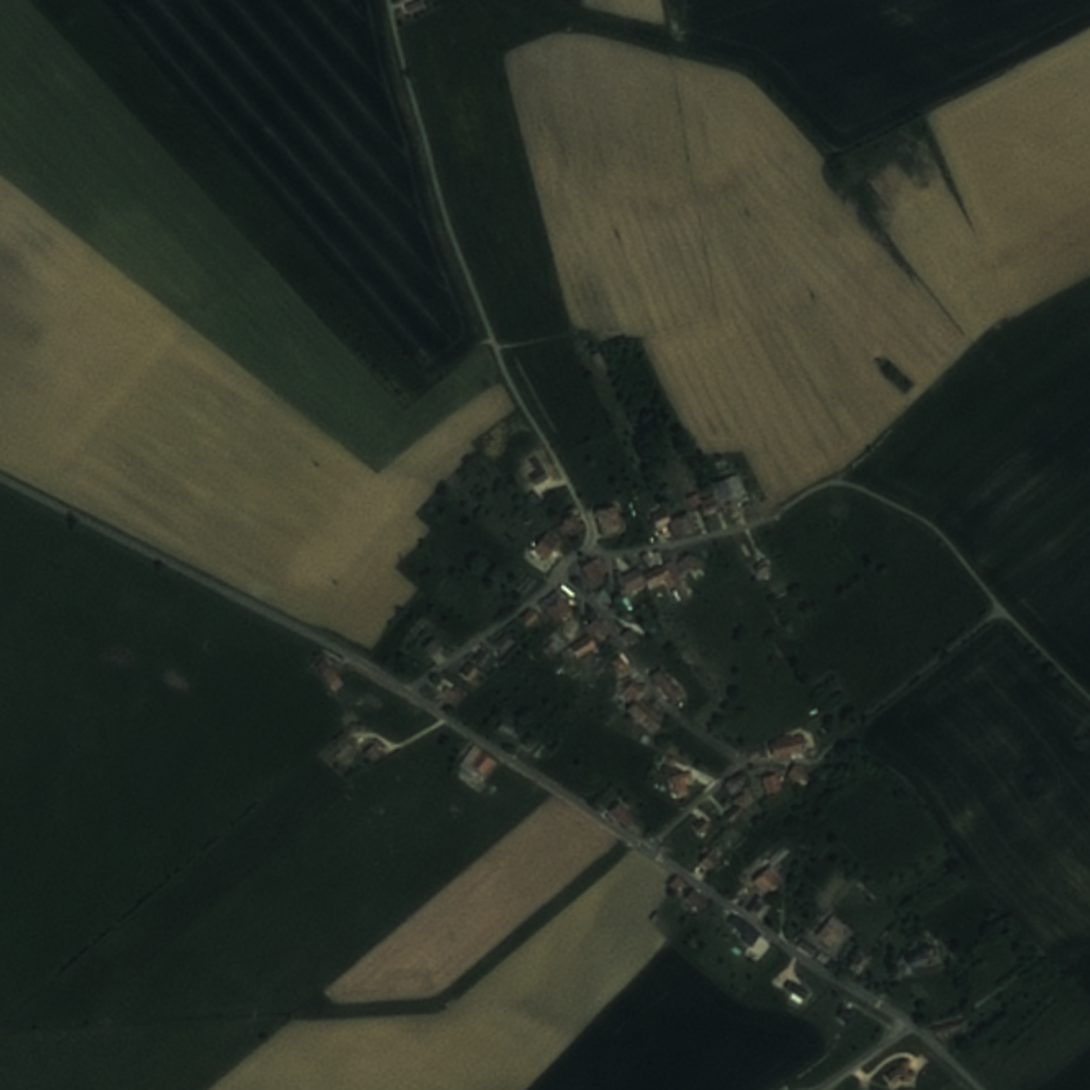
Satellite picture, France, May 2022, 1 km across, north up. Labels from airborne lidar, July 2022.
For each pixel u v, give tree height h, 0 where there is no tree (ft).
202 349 0
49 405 0
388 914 0
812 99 0
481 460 29
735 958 0
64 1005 0
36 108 0
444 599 0
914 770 0
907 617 0
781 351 0
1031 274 0
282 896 0
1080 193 0
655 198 0
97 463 0
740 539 0
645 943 0
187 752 0
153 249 0
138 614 0
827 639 0
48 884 0
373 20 0
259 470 0
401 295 0
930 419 0
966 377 0
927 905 0
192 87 0
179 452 0
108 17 0
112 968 0
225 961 0
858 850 0
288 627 0
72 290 0
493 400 0
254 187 0
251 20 0
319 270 0
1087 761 0
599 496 0
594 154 0
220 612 0
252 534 0
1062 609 0
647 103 0
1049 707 0
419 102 0
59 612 0
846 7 0
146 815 0
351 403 0
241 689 0
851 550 0
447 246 0
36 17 0
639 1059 0
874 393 0
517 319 0
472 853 0
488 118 0
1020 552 0
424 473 0
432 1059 0
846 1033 0
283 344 0
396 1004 0
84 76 0
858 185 0
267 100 0
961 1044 50
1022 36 0
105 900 0
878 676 0
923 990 0
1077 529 0
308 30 0
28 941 0
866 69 0
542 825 0
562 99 0
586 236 0
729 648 0
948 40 0
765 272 0
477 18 0
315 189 0
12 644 0
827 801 23
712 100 0
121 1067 0
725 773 0
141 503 0
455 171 0
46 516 0
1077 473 0
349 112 0
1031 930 0
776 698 0
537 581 0
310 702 0
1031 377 0
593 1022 0
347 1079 0
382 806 0
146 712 0
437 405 0
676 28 0
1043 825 0
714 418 0
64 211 0
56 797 0
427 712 0
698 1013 0
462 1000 0
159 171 0
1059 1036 0
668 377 0
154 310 0
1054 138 0
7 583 0
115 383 0
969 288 0
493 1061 0
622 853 0
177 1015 0
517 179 0
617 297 0
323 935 0
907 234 0
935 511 0
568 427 0
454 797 0
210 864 0
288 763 0
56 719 0
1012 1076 0
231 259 0
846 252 0
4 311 0
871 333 0
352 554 0
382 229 0
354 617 0
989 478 0
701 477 35
